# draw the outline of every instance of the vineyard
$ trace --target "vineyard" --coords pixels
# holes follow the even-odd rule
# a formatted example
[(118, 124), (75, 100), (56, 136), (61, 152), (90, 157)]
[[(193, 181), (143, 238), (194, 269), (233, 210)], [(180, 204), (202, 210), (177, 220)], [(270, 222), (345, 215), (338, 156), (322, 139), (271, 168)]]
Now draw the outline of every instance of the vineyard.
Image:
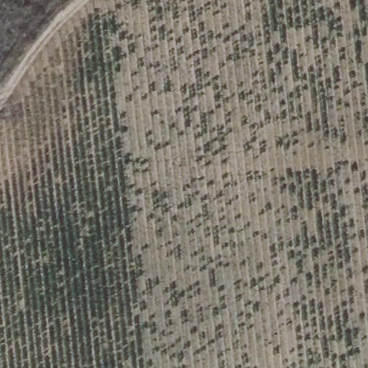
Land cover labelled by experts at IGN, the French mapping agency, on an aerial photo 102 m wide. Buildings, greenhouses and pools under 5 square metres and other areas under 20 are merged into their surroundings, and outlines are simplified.
[(56, 33), (53, 33), (0, 109), (0, 368), (368, 368), (368, 0), (89, 0), (66, 20)]

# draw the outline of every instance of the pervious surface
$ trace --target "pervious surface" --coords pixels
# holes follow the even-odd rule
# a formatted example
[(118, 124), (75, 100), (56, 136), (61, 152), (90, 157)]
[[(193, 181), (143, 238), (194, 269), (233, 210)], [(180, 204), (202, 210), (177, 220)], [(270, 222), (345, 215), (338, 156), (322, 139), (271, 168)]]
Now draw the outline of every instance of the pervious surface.
[(0, 109), (53, 33), (56, 33), (66, 20), (89, 0), (72, 0), (65, 9), (56, 14), (52, 22), (47, 24), (46, 29), (24, 53), (7, 82), (0, 86)]

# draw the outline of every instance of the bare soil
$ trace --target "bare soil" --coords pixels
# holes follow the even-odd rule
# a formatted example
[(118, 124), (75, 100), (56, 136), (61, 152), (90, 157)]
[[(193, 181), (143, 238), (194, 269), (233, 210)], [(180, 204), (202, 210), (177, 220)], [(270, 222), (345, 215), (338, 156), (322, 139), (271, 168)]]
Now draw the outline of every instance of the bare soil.
[(24, 53), (46, 29), (47, 24), (52, 22), (56, 14), (65, 9), (72, 0), (0, 0), (0, 86), (7, 82)]

